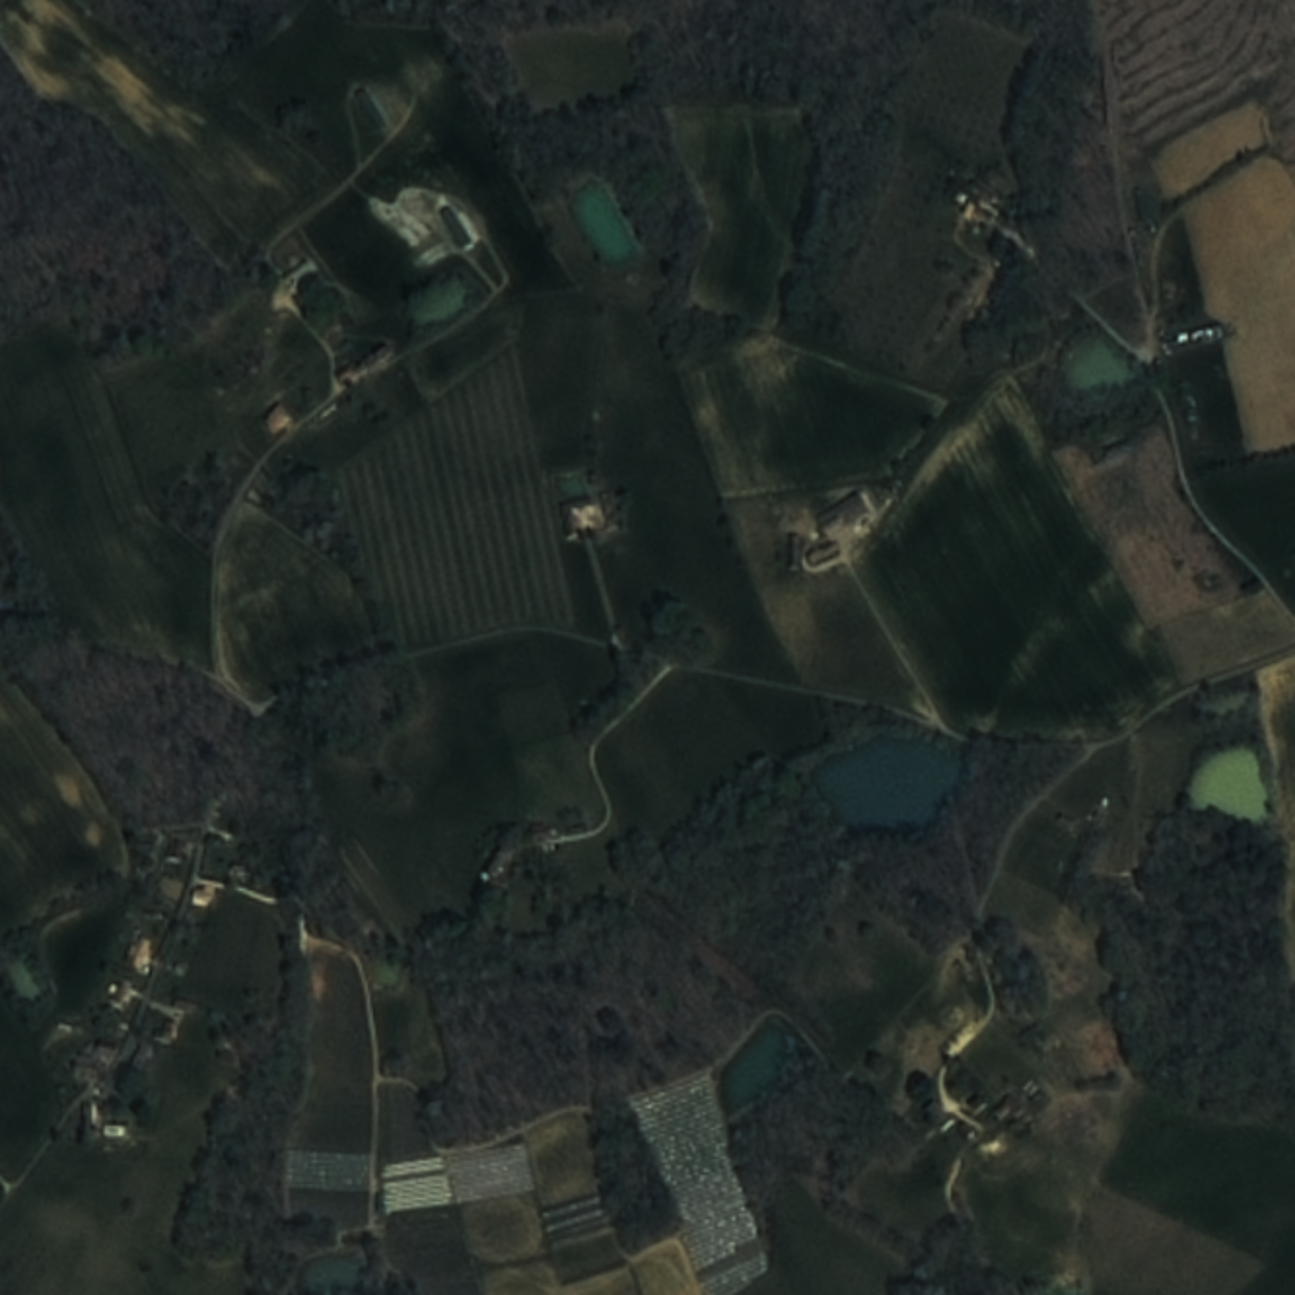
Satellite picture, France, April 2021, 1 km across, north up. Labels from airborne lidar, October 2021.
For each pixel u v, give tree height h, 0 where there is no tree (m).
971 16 19
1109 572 0
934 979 0
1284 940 17
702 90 15
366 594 12
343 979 0
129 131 0
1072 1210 0
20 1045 0
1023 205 9
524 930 0
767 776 13
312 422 0
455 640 0
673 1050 16
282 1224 13
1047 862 0
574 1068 22
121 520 0
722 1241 0
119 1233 0
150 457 0
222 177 0
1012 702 0
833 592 0
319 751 17
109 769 20
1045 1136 0
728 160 0
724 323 6
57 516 0
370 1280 14
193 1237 20
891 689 0
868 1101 21
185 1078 0
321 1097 0
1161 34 0
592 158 18
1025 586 0
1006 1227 0
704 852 20
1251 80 0
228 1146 19
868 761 0
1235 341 0
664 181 23
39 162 15
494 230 0
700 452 0
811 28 22
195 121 0
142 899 15
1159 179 0
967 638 0
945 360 0
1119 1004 17
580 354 0
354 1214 0
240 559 0
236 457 0
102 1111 14
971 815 14
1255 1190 0
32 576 18
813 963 0
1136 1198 0
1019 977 17
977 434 0
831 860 17
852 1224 20
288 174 0
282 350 0
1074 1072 0
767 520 0
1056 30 21
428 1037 0
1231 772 0
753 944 16
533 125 16
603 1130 15
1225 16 0
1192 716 7
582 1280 0
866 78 23
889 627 0
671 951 21
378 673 23
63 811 0
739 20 20
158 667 10
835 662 0
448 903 0
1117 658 0
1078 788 0
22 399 0
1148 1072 25
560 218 0
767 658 0
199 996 0
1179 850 21
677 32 14
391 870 0
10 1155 0
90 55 0
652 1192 21
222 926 0
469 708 0
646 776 0
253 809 13
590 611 0
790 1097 19
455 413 0
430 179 0
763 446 0
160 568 0
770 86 19
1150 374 12
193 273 21
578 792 0
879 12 16
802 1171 16
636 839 12
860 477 0
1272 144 0
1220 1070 23
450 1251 0
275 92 0
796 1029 13
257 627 0
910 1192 0
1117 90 0
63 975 0
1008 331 20
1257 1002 21
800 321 11
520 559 0
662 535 0
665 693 0
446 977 19
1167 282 0
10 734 0
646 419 0
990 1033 0
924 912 21
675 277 15
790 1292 0
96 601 0
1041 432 0
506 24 15
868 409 0
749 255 0
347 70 0
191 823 15
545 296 0
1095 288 16
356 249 0
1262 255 0
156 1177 0
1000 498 0
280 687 0
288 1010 15
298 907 24
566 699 0
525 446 0
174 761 12
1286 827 0
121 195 15
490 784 0
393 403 0
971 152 10
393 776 0
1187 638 0
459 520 0
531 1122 12
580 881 0
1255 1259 0
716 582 0
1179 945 18
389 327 0
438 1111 20
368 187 0
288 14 7
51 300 18
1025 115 19
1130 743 0
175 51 23
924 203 9
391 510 0
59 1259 0
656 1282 0
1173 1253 0
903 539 0
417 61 0
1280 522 0
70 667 10
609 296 0
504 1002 19
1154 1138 0
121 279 12
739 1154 14
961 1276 14
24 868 0
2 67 16
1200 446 0
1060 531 0
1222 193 0
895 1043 0
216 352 0
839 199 17
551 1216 0
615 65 0
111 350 19
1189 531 0
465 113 0
